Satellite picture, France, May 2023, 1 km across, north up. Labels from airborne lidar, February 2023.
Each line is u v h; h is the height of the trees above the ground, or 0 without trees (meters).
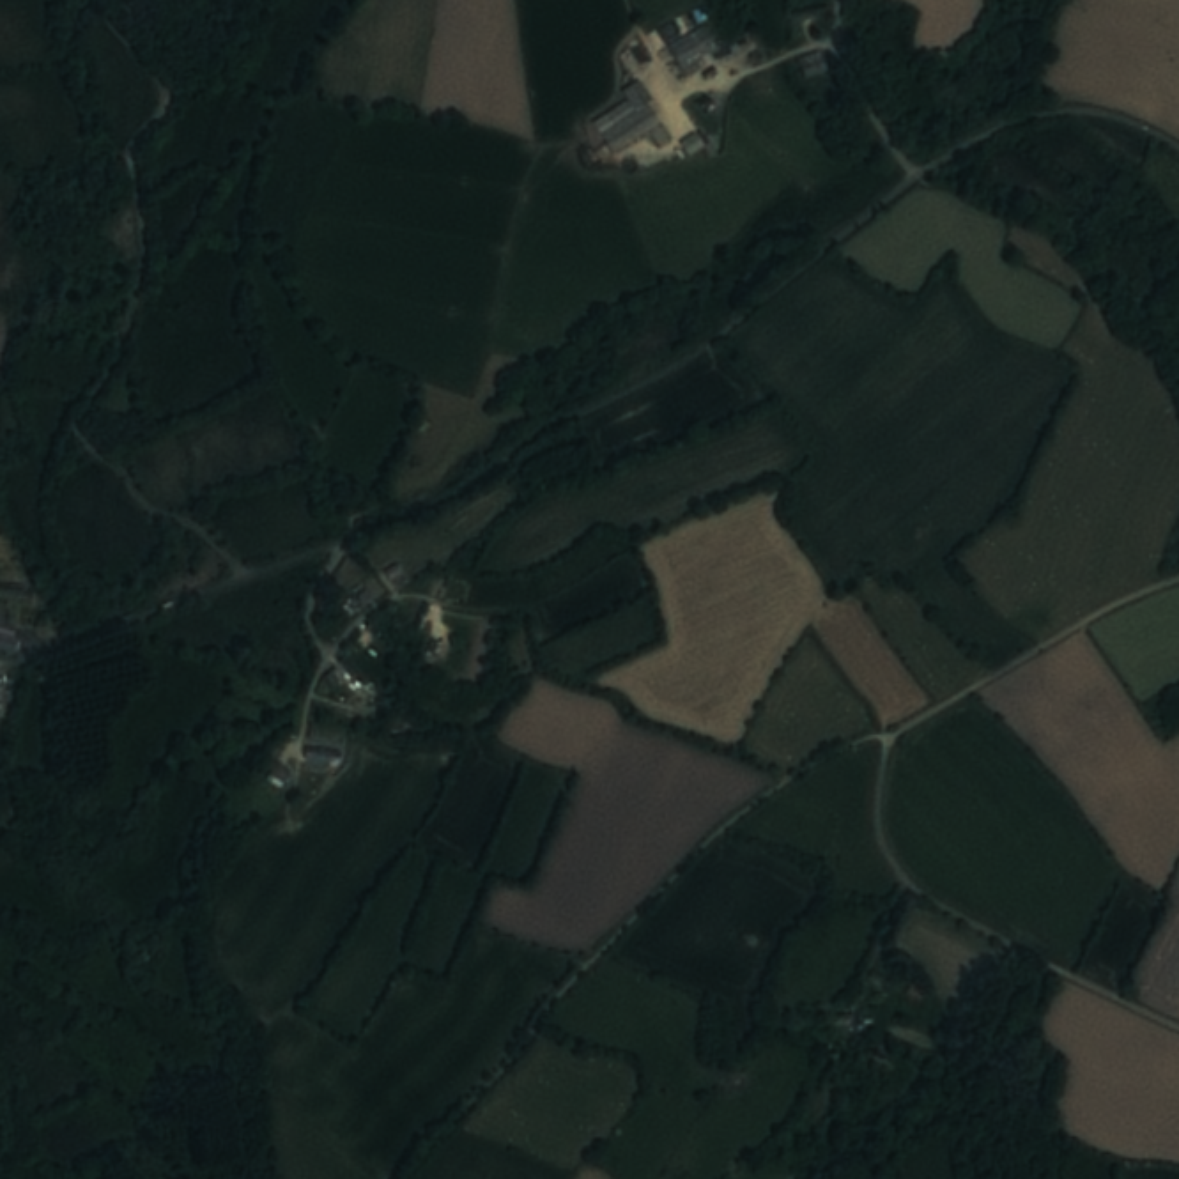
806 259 16
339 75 0
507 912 0
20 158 0
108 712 26
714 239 0
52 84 0
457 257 0
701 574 0
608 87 0
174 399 0
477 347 0
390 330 0
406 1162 13
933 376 0
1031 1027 9
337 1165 0
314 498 14
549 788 0
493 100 0
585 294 0
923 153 13
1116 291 17
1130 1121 0
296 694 7
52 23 16
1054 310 0
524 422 9
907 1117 19
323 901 0
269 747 8
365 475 0
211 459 0
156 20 20
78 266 9
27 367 11
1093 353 0
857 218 0
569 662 0
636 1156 0
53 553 8
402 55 0
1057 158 0
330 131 0
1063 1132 8
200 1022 9
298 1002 11
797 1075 0
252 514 0
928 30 0
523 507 14
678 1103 0
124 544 0
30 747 0
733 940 0
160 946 9
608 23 0
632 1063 8
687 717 0
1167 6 0
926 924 0
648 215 0
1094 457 0
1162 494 0
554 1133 0
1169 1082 0
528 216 0
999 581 0
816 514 0
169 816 0
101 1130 0
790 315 0
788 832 0
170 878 0
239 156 16
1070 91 0
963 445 0
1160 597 0
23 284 0
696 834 0
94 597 9
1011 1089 26
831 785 0
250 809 0
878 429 0
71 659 22
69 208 10
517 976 0
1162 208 6
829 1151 8
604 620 9
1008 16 12
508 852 0
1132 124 0
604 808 0
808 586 0
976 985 30
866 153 11
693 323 15
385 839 0
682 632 0
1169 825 0
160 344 0
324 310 0
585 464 18
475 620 0
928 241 0
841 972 0
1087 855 0
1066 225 10
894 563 0
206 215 11
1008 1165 17
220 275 0
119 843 9
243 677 20
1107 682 0
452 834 0
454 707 0
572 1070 0
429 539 0
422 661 8
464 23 0
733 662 0
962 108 9
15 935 6
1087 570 0
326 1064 0
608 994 0
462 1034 0
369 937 0
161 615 10
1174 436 0
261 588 0
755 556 0
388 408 0
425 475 0
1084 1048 0
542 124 0
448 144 0
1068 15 0
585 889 0
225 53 23
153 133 15
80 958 9
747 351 0
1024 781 0
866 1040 10
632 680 0
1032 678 0
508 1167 0
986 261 0
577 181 0
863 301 0
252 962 0
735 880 0
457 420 0
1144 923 0
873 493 0
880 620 0
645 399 0
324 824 0
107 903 9
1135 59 0
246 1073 18
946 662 0
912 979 12
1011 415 0
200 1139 32
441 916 0
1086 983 0
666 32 0
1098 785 0
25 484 0
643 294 9
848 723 0
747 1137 0
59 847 12
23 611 0
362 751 0
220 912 0
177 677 0
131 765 0
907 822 0
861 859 0
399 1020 0
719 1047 12
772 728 0
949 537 0
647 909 11
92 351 7
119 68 0
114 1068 0
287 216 0
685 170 0
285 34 0
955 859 0
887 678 0
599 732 0
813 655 0
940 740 0
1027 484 7
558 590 0
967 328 0
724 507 13
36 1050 0
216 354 0
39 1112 8
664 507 0
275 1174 14
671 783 0
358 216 0
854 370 0
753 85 0
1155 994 0
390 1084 0
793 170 0
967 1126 16
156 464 0
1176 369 14
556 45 0
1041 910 0
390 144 0
